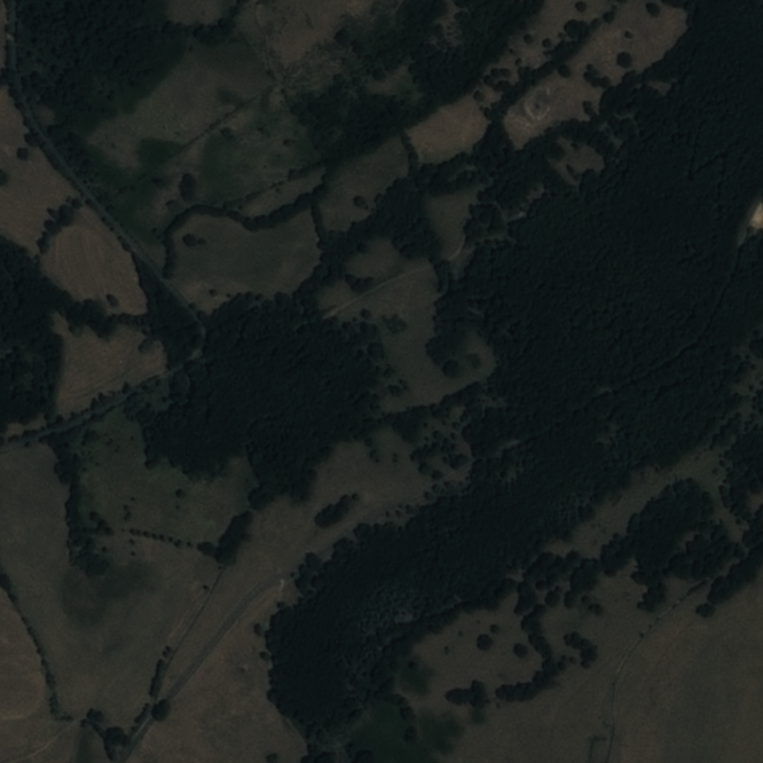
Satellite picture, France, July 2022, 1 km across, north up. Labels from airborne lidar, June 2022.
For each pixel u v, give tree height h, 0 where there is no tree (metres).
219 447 22
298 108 13
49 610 0
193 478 8
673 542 18
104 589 0
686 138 17
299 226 0
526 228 15
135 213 0
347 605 12
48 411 19
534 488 14
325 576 13
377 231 12
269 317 22
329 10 0
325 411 19
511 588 16
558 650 0
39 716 0
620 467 7
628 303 17
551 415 22
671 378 16
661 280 17
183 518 0
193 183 17
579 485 13
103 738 8
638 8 0
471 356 0
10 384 21
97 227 0
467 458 9
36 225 0
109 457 0
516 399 14
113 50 8
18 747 0
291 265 0
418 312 0
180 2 0
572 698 0
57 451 13
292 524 0
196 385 19
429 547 11
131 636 0
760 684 0
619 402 11
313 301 10
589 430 13
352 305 0
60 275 0
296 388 19
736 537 0
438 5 16
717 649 0
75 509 13
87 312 19
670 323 18
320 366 23
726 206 16
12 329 12
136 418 10
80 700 0
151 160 0
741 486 12
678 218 19
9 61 10
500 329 15
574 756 0
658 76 13
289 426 15
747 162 16
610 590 0
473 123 0
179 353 20
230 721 0
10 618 0
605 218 18
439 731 0
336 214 0
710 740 0
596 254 15
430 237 13
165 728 0
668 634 0
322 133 7
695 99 15
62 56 14
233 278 0
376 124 9
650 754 0
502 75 10
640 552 16
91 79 7
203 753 0
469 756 0
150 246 0
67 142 12
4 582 14
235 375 20
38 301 24
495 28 9
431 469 8
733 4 12
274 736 0
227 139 14
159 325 10
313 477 10
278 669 15
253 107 0
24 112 13
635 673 0
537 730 0
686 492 13
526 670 0
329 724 12
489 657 0
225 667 0
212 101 0
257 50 0
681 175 20
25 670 0
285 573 0
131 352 0
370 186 0
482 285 21
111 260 0
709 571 13
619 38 0
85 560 11
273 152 0
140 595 0
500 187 14
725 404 10
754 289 17
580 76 0
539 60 0
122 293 0
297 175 20
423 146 0
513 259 18
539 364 22
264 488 13
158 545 0
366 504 0
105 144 0
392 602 11
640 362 18
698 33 12
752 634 0
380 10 0
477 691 14
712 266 16
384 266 0
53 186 0
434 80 20
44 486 0
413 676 0
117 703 0
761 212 0
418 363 0
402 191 14
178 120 0
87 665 0
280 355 20
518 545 16
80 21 15
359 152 8
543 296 18
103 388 0
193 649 0
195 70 0
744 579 11
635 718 0
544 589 10
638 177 18
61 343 16
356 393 17
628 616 0
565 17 0
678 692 0
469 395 13
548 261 16
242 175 0
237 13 9
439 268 13
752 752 0
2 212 0
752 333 7
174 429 19
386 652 11
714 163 19
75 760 0
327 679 13
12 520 0
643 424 14
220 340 17
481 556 17
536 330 21
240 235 0
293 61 0
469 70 12
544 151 9
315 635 14
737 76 15
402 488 0
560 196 14
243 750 0
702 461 0
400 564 10
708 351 17
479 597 10
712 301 18
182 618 0
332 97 14
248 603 0
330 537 0
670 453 15
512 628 0
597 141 6
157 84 0
